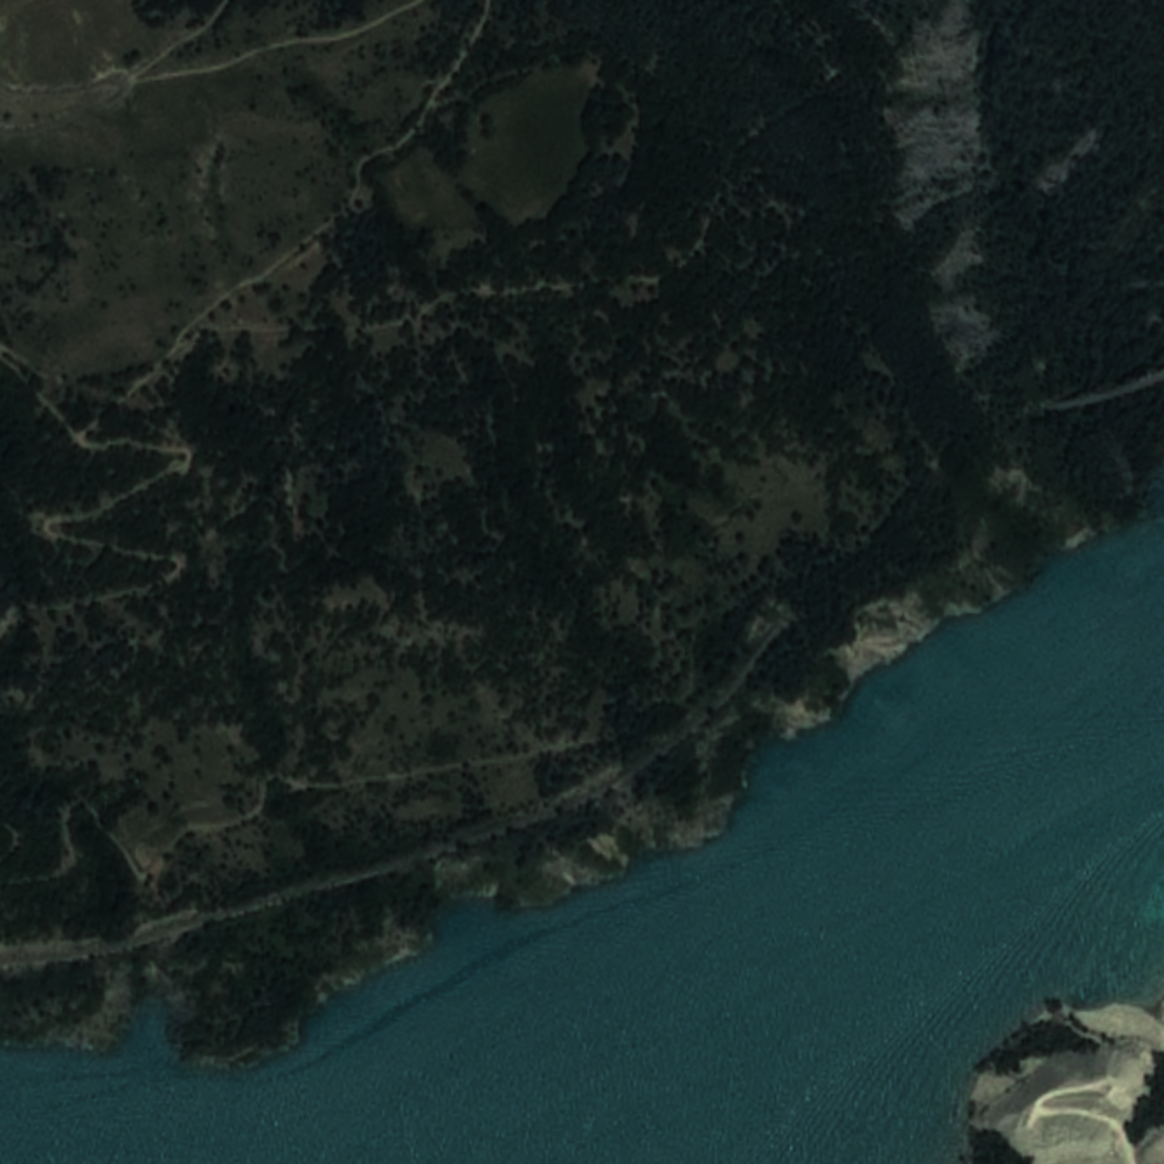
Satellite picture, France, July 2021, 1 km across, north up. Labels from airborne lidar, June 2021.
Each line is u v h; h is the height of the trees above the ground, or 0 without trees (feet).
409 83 0
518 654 32
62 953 0
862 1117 0
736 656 37
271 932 22
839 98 44
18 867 18
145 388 22
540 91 0
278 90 0
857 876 0
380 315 25
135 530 33
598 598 24
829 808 0
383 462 54
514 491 46
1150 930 0
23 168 0
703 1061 0
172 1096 0
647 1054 0
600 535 38
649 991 0
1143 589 0
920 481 24
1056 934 0
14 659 23
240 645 31
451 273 32
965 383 31
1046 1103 0
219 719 20
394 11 0
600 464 31
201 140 0
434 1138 0
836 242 43
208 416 31
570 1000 0
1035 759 0
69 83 0
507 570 24
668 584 36
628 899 0
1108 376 69
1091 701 0
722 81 35
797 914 0
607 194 27
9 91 0
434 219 0
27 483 33
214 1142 0
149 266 0
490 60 29
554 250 32
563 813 38
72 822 22
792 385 29
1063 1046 24
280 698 17
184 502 24
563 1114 0
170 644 22
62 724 21
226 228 0
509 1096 0
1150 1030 0
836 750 0
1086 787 0
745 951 0
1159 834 0
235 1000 29
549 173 0
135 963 33
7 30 0
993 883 0
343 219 20
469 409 27
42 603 26
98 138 0
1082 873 0
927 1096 0
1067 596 0
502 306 23
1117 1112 0
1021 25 41
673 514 35
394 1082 0
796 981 0
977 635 0
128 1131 0
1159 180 24
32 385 29
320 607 22
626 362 32
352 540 39
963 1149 0
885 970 0
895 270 43
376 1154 0
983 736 0
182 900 23
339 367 32
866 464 28
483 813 22
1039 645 0
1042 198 31
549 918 0
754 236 33
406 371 31
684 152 38
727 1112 0
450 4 20
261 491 36
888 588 36
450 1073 0
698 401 29
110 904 26
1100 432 50
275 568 27
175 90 0
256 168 0
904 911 0
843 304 52
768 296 27
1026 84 58
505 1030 0
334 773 19
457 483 27
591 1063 0
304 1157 0
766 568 44
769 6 47
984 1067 30
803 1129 0
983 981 0
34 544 27
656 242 39
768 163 39
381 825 24
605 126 44
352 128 28
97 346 0
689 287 27
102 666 30
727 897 0
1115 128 30
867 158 45
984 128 45
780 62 40
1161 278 26
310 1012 25
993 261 36
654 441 42
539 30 30
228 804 21
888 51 20
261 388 28
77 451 27
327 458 29
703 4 40
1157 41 43
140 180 0
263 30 0
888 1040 0
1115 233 23
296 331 31
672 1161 0
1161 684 0
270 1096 0
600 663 28
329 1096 0
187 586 31
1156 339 37
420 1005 0
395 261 37
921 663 0
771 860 0
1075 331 22
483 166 0
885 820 0
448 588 25
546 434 34
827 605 26
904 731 0
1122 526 19
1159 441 63
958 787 0
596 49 29
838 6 29
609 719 30
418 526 25
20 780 25
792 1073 0
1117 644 0
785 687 40
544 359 33
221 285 0
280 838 0
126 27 0
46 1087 0
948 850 0
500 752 23
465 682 19
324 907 23
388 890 27
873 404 34
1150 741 0
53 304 0
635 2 43
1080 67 54
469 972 0
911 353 59
